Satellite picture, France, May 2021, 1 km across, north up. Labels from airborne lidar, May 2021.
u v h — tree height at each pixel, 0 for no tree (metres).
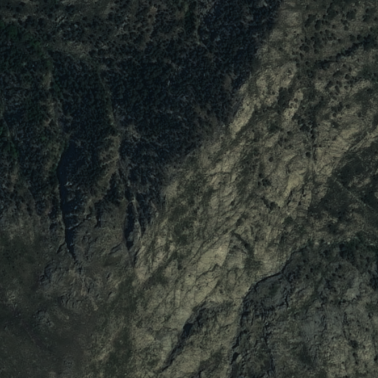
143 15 13
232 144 0
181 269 6
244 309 0
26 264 0
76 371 0
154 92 29
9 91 17
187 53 15
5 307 0
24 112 18
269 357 0
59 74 6
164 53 14
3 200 15
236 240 0
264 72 0
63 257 0
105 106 19
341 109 11
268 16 10
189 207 0
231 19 9
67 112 24
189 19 11
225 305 0
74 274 0
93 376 0
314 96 6
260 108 0
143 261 0
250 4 31
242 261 0
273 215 0
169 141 9
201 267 0
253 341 0
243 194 0
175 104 7
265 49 0
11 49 14
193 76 13
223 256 0
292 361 0
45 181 13
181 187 0
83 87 22
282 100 12
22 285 0
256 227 9
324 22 16
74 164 7
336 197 0
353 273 0
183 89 13
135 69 14
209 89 8
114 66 19
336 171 0
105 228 0
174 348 0
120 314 0
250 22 15
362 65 0
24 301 0
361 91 0
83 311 0
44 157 9
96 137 14
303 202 0
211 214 0
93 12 0
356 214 0
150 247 0
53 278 0
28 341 0
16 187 17
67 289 0
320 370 0
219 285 0
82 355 0
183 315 0
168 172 0
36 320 0
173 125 11
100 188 12
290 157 0
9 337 0
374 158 0
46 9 12
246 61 7
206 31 8
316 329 0
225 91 15
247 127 0
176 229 0
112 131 15
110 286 0
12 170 14
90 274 0
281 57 0
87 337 0
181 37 15
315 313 0
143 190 0
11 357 0
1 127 21
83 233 0
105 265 0
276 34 0
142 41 19
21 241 0
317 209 0
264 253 0
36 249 0
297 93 0
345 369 8
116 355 0
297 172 0
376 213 0
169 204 0
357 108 0
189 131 14
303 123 19
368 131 0
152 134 12
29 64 10
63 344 0
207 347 0
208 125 6
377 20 14
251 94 0
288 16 0
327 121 0
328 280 10
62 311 0
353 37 25
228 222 0
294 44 0
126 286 0
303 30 0
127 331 0
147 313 0
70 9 20
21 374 0
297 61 13
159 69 26
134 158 6
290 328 0
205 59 19
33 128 8
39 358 0
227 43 17
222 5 8
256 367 0
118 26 11
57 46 0
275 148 0
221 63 22
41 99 16
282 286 0
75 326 0
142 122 11
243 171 0
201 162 0
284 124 0
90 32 0
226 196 0
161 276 0
